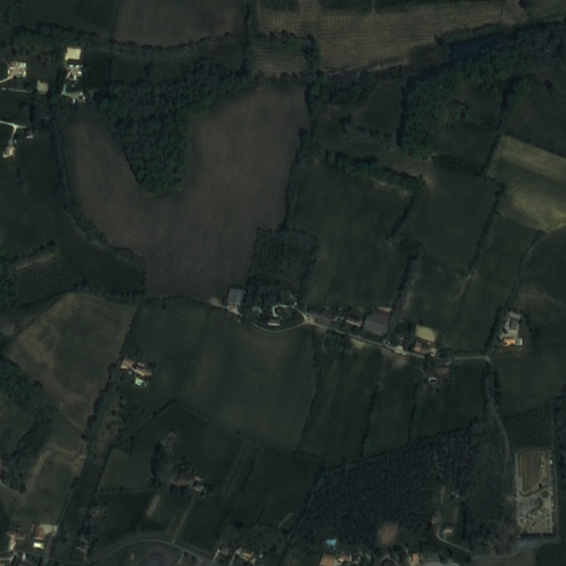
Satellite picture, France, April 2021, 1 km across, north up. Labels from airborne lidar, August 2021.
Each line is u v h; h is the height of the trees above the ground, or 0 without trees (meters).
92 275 0
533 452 0
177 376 0
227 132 0
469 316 0
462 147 0
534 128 0
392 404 0
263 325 12
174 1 0
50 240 0
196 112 21
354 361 0
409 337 14
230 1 0
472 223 0
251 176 0
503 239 0
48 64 13
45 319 0
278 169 0
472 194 0
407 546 8
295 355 0
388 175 22
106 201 0
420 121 24
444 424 0
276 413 0
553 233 0
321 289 0
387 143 11
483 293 0
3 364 21
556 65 20
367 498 15
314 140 23
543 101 0
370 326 0
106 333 0
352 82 20
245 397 0
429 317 0
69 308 0
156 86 17
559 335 0
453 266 0
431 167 0
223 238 0
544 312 0
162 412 6
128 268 0
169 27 0
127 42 0
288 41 25
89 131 0
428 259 0
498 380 21
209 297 0
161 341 0
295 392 0
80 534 10
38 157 0
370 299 0
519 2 0
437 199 0
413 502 12
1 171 0
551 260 0
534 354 0
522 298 0
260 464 0
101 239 14
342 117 0
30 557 7
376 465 11
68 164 13
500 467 16
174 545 0
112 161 0
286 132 0
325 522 16
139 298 16
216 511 0
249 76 26
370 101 0
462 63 22
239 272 0
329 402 0
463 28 0
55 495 0
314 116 17
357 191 0
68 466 0
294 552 6
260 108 0
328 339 6
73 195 13
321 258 14
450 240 0
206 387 0
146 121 23
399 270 0
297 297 8
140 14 0
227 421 0
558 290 0
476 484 18
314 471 0
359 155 0
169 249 0
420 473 15
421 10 0
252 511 0
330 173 0
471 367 0
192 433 0
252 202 0
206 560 0
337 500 15
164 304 8
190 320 0
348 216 0
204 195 0
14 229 0
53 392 0
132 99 24
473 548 13
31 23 0
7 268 12
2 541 0
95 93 0
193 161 0
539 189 0
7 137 0
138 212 0
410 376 0
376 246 0
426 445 7
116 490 7
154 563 0
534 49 24
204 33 0
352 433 0
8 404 0
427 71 7
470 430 10
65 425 0
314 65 26
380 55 0
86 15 0
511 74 20
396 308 12
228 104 0
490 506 20
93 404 0
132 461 0
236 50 0
